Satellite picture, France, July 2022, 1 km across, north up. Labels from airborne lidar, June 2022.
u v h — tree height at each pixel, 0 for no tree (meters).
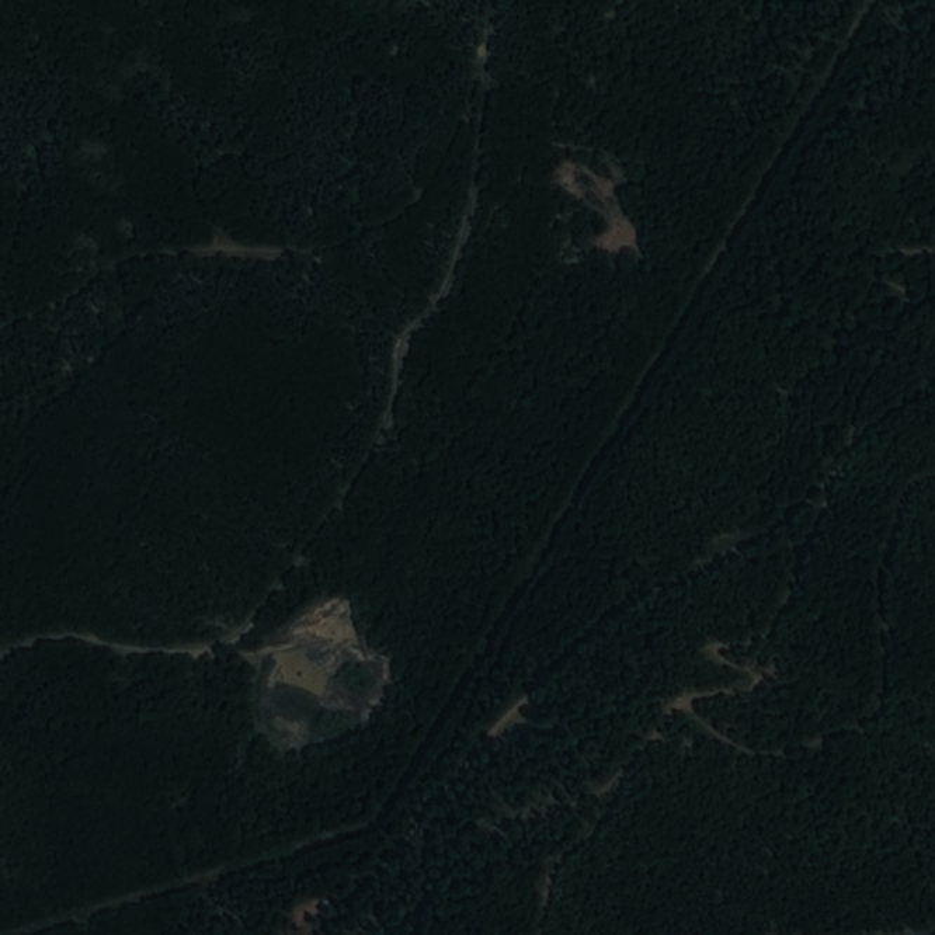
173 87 7
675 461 17
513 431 19
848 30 16
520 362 11
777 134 21
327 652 0
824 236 25
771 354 25
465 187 14
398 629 15
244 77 10
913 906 18
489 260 11
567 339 17
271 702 0
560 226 26
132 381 18
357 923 23
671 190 19
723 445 18
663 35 15
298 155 16
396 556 18
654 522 18
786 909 14
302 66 18
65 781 21
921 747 18
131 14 15
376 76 16
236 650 12
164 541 13
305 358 7
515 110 19
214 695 21
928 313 22
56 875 16
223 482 13
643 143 18
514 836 24
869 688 22
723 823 16
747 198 15
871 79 24
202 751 15
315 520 20
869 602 22
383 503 12
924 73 24
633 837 18
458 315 15
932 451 17
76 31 16
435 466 16
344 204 27
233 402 19
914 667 21
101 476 17
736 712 16
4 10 15
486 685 29
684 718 19
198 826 17
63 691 22
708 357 19
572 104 10
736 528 21
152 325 21
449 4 20
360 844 19
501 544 22
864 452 19
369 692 8
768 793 19
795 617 21
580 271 19
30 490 21
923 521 16
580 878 15
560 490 18
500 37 19
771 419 19
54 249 16
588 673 25
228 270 16
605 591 25
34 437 17
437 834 22
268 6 17
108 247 15
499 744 29
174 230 15
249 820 23
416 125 11
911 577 19
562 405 7
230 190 15
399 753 25
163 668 21
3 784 14
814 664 19
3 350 20
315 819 24
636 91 24
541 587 19
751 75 25
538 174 13
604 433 17
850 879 16
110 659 22
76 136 10
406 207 9
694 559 23
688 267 25
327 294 22
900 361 23
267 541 20
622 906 16
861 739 19
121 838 16
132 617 14
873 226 18
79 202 15
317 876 23
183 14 8
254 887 22
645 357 14
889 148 15
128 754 22
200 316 9
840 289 27
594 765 14
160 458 17
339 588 12
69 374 12
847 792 21
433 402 14
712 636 14
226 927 25
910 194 19
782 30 17
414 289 15
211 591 19
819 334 26
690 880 17
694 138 21
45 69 12
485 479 22
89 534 19
